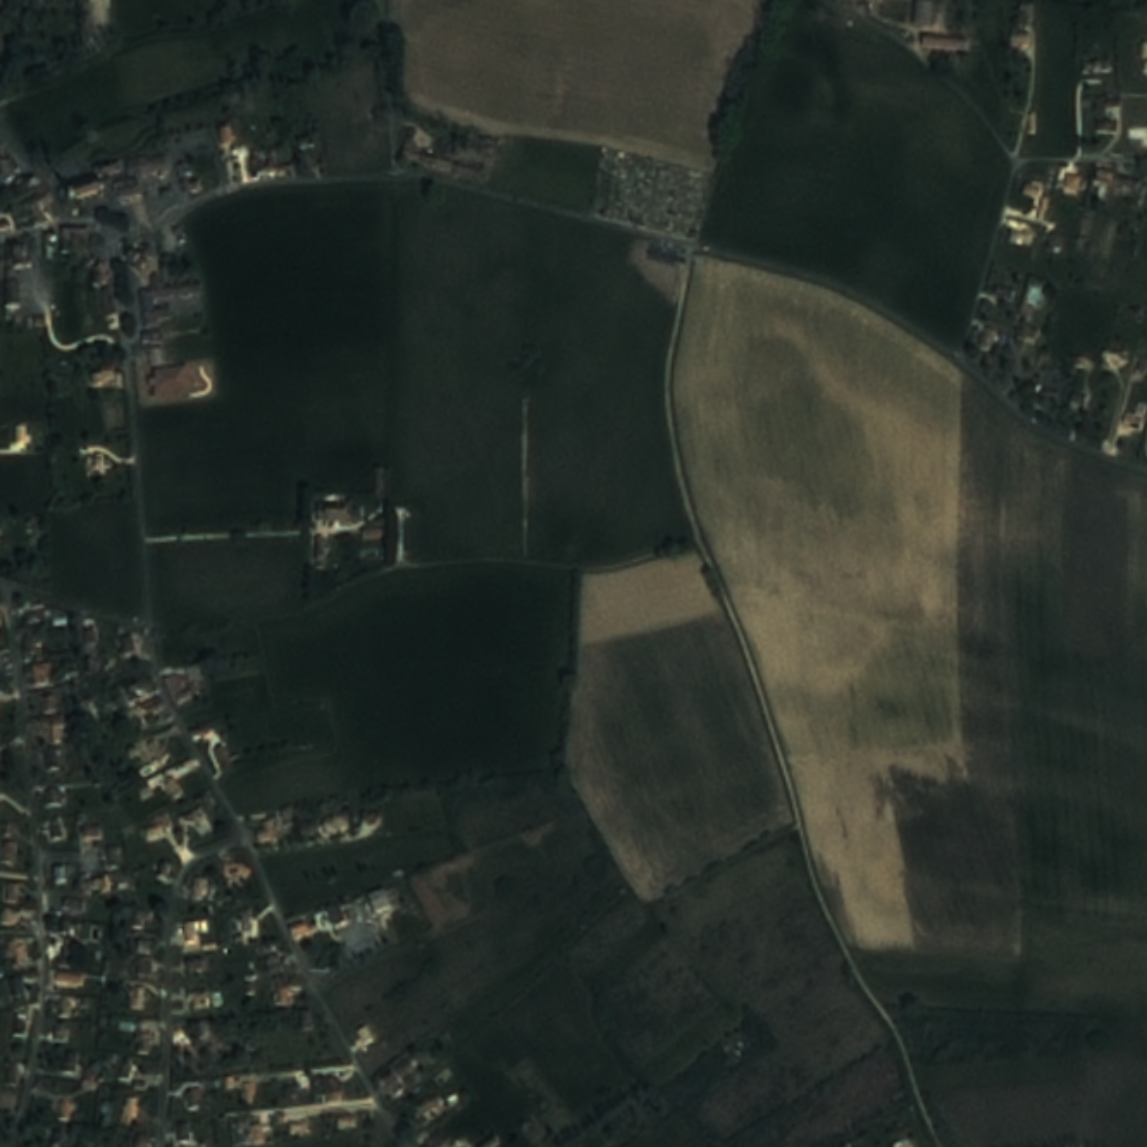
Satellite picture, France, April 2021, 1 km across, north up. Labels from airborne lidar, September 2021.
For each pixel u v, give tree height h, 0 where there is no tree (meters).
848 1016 0
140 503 0
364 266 0
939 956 0
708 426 0
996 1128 0
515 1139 6
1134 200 9
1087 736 0
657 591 0
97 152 0
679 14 0
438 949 0
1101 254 0
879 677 0
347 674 0
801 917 0
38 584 12
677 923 0
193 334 0
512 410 0
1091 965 0
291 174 9
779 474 0
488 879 0
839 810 0
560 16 0
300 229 0
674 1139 0
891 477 0
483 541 0
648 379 0
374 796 7
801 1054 0
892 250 0
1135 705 0
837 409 0
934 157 0
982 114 0
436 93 0
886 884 0
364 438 0
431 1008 0
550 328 0
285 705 0
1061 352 0
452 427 0
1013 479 0
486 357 0
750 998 0
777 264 0
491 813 0
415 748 0
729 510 0
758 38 12
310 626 0
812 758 0
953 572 0
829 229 0
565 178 0
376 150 0
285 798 0
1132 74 0
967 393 0
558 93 0
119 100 0
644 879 0
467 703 0
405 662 0
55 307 0
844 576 0
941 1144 10
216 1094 7
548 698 0
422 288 0
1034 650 0
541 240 0
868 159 0
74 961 12
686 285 0
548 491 0
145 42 0
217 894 7
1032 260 0
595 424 0
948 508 0
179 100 6
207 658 13
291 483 0
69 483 9
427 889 0
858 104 0
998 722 0
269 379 0
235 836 0
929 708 0
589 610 0
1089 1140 0
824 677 0
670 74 0
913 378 0
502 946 0
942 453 0
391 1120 0
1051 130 0
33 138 0
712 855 0
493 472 0
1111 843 0
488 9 0
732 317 0
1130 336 0
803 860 0
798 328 0
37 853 0
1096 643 0
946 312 0
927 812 0
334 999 0
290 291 0
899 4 0
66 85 0
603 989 0
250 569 0
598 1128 18
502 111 0
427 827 0
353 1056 0
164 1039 0
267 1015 6
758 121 0
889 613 0
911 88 0
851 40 0
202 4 0
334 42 0
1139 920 0
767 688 0
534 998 0
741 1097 0
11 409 0
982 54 0
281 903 0
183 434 0
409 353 0
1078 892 0
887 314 0
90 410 0
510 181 0
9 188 6
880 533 0
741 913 0
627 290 0
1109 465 0
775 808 0
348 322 0
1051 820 0
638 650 0
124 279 10
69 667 7
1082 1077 0
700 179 0
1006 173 0
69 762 0
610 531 0
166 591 0
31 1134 14
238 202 0
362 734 0
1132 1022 0
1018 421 0
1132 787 0
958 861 0
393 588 0
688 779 0
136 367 0
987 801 0
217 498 0
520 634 0
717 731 0
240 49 0
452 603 0
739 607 0
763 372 0
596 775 0
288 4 14
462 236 0
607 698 0
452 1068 0
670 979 0
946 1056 8
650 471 0
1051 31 0
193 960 0
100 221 10
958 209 0
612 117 0
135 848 0
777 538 0
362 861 0
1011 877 0
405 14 0
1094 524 0
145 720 7
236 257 0
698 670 0
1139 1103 0
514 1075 0
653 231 0
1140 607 0
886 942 0
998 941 0
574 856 0
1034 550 0
